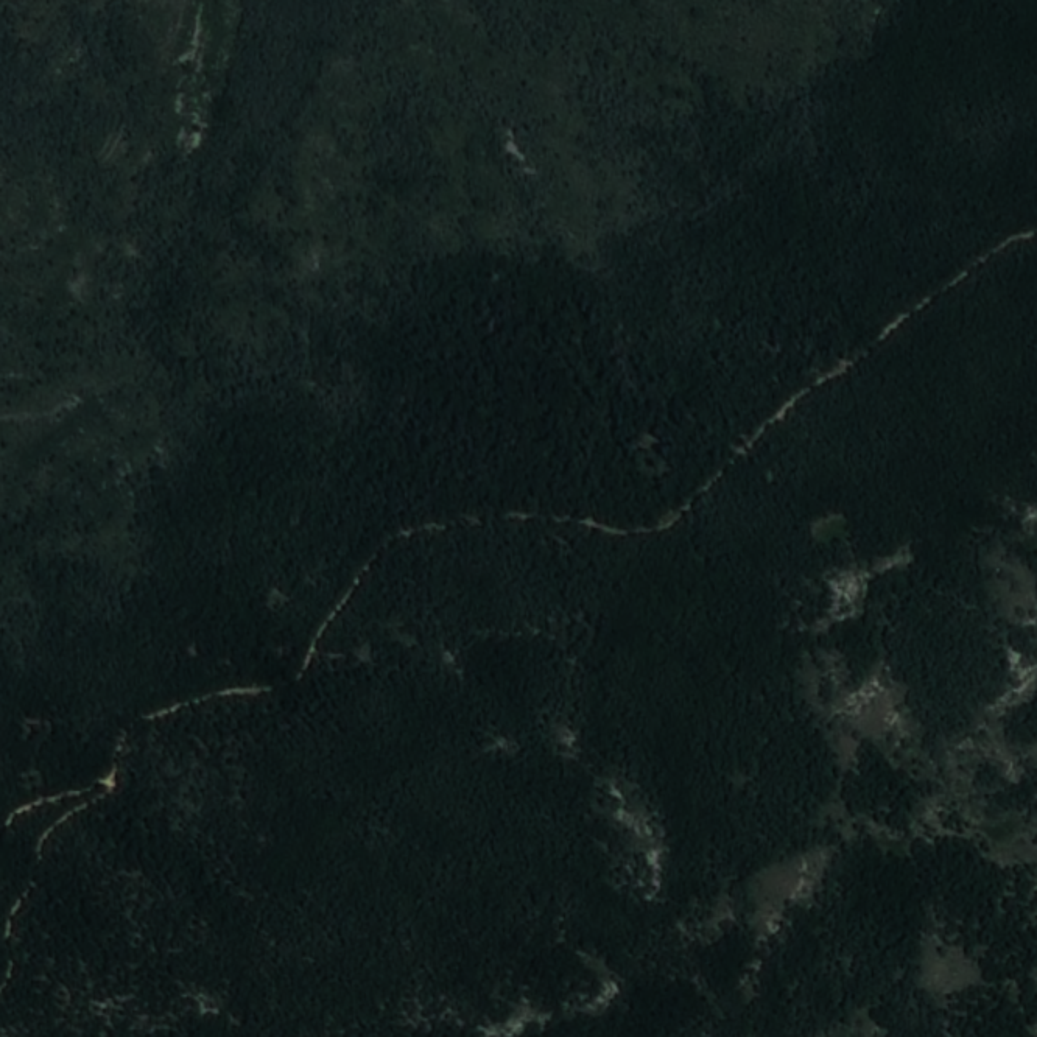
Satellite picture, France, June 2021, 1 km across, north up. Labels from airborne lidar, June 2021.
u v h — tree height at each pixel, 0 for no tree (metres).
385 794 13
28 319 6
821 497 13
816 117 13
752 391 10
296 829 14
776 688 14
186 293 14
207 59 8
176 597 10
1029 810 8
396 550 11
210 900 18
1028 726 17
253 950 11
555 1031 16
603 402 25
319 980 12
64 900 17
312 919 7
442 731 13
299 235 6
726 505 12
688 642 18
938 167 10
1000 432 9
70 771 11
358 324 12
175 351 9
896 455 13
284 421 13
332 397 8
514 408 20
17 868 10
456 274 11
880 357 12
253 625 13
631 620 18
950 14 16
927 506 12
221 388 7
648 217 6
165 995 7
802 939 14
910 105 15
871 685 0
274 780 10
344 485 10
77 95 9
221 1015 11
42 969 12
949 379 12
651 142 6
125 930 10
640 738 15
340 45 8
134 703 9
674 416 19
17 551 8
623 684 16
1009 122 10
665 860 7
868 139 13
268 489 9
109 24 8
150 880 10
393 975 7
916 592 10
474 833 14
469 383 19
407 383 18
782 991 11
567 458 21
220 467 12
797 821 12
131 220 7
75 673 7
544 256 9
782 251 15
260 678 10
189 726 14
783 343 15
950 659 12
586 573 17
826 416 9
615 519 18
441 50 6
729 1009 12
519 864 9
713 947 11
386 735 18
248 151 10
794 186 16
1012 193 11
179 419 6
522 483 17
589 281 12
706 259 11
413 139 8
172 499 11
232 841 11
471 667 16
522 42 6
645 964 11
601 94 6
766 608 13
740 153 11
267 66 11
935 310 11
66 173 6
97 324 8
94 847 7
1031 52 14
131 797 14
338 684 15
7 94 9
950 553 15
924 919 7
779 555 15
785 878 0
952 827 6
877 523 13
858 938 16
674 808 14
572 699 13
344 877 13
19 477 6
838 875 13
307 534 10
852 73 10
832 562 10
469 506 16
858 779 14
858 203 8
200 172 8
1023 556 10
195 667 12
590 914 12
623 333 8
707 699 16
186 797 7
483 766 13
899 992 10
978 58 10
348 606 8
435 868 12
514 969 10
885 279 12
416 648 9
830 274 15
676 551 12
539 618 14
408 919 13
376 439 8
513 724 9
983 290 12
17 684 9
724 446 11
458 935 13
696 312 10
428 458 18
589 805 8
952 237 13
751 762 15
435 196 7
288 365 6
